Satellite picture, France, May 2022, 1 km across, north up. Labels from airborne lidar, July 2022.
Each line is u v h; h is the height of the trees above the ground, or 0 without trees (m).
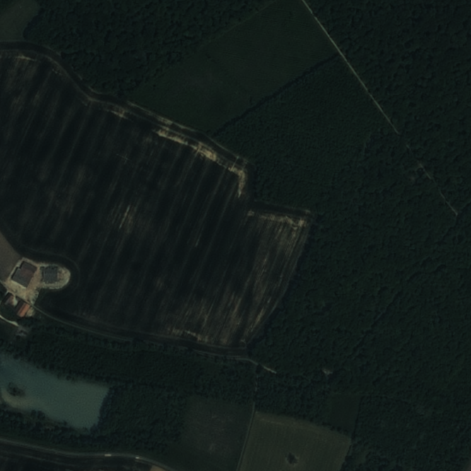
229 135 21
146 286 0
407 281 17
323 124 18
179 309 0
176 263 0
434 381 27
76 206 0
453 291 23
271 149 20
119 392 23
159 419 15
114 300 0
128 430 15
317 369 20
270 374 10
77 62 25
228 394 8
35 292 0
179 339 0
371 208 23
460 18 30
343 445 0
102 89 21
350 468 19
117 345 17
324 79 19
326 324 25
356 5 32
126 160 0
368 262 24
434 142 27
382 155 28
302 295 27
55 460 0
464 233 24
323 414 23
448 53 30
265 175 16
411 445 20
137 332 0
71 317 0
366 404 11
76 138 0
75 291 0
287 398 24
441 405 22
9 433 19
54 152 0
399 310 27
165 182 0
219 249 0
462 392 12
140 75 26
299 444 0
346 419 0
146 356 8
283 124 19
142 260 0
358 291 19
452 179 23
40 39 19
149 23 23
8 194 0
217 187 0
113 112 0
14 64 0
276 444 0
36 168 0
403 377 23
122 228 0
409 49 28
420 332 21
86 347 7
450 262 24
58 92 0
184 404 7
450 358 25
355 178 28
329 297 25
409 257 25
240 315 0
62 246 0
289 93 19
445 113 25
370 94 12
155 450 21
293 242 0
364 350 29
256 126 21
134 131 0
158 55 21
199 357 18
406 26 30
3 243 0
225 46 0
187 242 0
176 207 0
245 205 0
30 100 0
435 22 24
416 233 23
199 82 0
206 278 0
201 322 0
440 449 17
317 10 23
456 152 26
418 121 26
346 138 20
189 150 0
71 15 29
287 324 24
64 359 10
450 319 20
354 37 25
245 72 0
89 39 31
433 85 27
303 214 0
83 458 0
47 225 0
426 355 23
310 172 20
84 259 0
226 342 0
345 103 19
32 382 0
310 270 19
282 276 0
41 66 0
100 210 0
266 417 0
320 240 20
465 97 26
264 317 0
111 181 0
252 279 0
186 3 24
